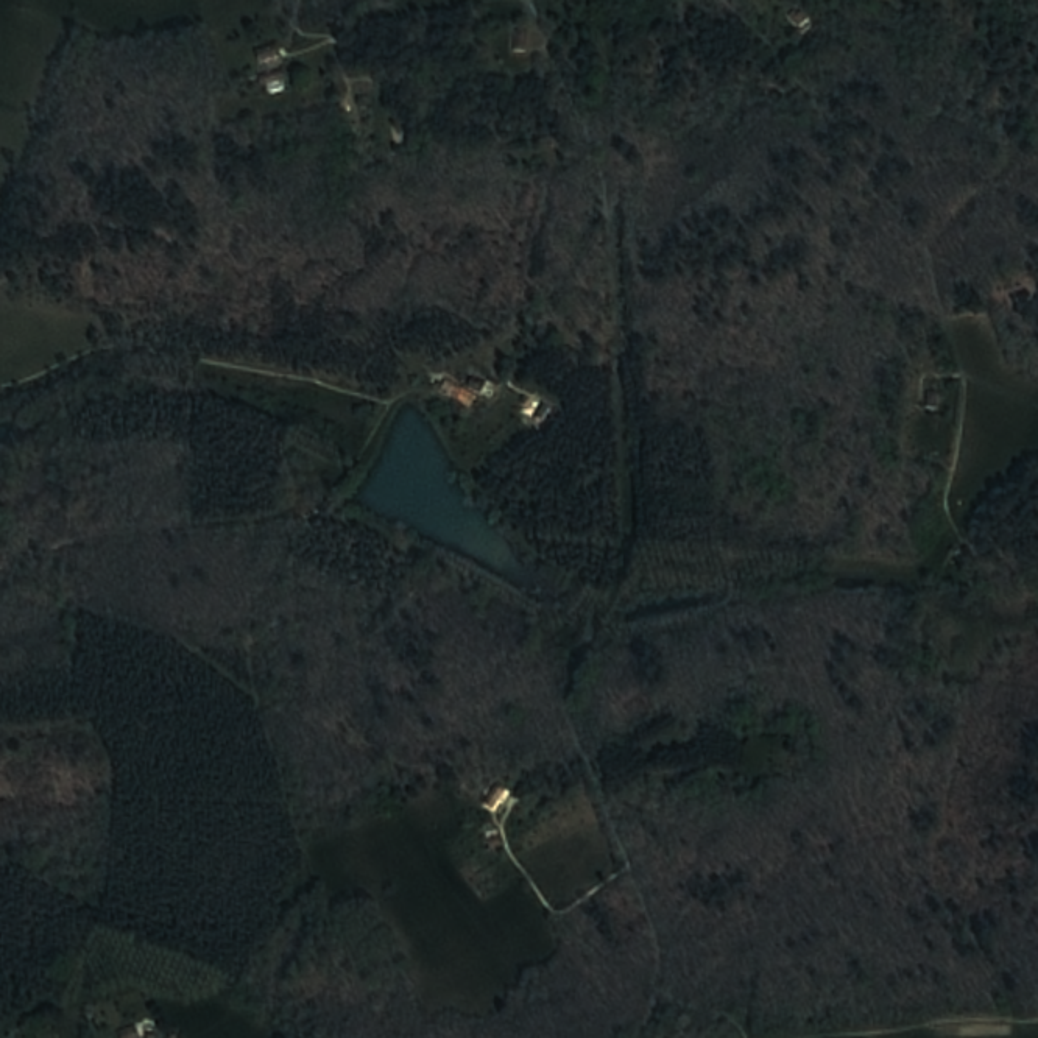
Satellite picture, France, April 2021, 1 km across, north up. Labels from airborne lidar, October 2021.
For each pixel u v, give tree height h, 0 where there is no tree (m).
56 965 23
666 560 31
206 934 18
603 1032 13
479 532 0
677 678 17
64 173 11
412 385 10
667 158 17
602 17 6
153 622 14
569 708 23
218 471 16
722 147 15
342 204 13
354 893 0
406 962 14
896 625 18
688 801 12
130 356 23
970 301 19
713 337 13
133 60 17
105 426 19
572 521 19
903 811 14
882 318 22
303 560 18
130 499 20
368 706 16
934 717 21
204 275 17
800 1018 17
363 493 0
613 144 9
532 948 0
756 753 0
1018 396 0
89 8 0
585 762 16
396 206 11
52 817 15
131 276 9
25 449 25
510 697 19
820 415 16
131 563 13
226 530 14
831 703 13
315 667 13
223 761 17
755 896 9
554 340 22
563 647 9
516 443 7
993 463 0
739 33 20
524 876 12
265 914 18
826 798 16
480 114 14
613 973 13
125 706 19
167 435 18
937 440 0
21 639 10
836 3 16
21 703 15
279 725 13
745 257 17
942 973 13
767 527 14
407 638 18
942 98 15
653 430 13
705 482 15
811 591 25
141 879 17
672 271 22
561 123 21
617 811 9
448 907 0
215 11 0
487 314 11
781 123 18
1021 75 11
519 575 0
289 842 19
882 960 13
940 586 11
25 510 10
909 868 10
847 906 12
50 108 13
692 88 13
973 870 12
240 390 8
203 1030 0
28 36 0
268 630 14
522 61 0
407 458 0
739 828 14
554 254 16
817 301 11
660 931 13
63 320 0
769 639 11
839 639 10
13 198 17
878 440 21
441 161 16
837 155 28
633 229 18
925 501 14
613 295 14
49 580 15
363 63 19
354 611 18
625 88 17
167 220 22
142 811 17
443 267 12
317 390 0
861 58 12
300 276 11
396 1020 9
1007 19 7
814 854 12
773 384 15
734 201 15
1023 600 22
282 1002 12
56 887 17
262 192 16
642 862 17
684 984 14
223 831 18
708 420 16
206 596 11
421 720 14
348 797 16
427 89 18
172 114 18
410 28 15
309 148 17
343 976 15
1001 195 12
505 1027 12
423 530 0
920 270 15
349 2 20
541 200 14
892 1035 0
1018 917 16
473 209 17
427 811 0
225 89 11
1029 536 29
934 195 16
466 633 12
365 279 8
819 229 17
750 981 11
